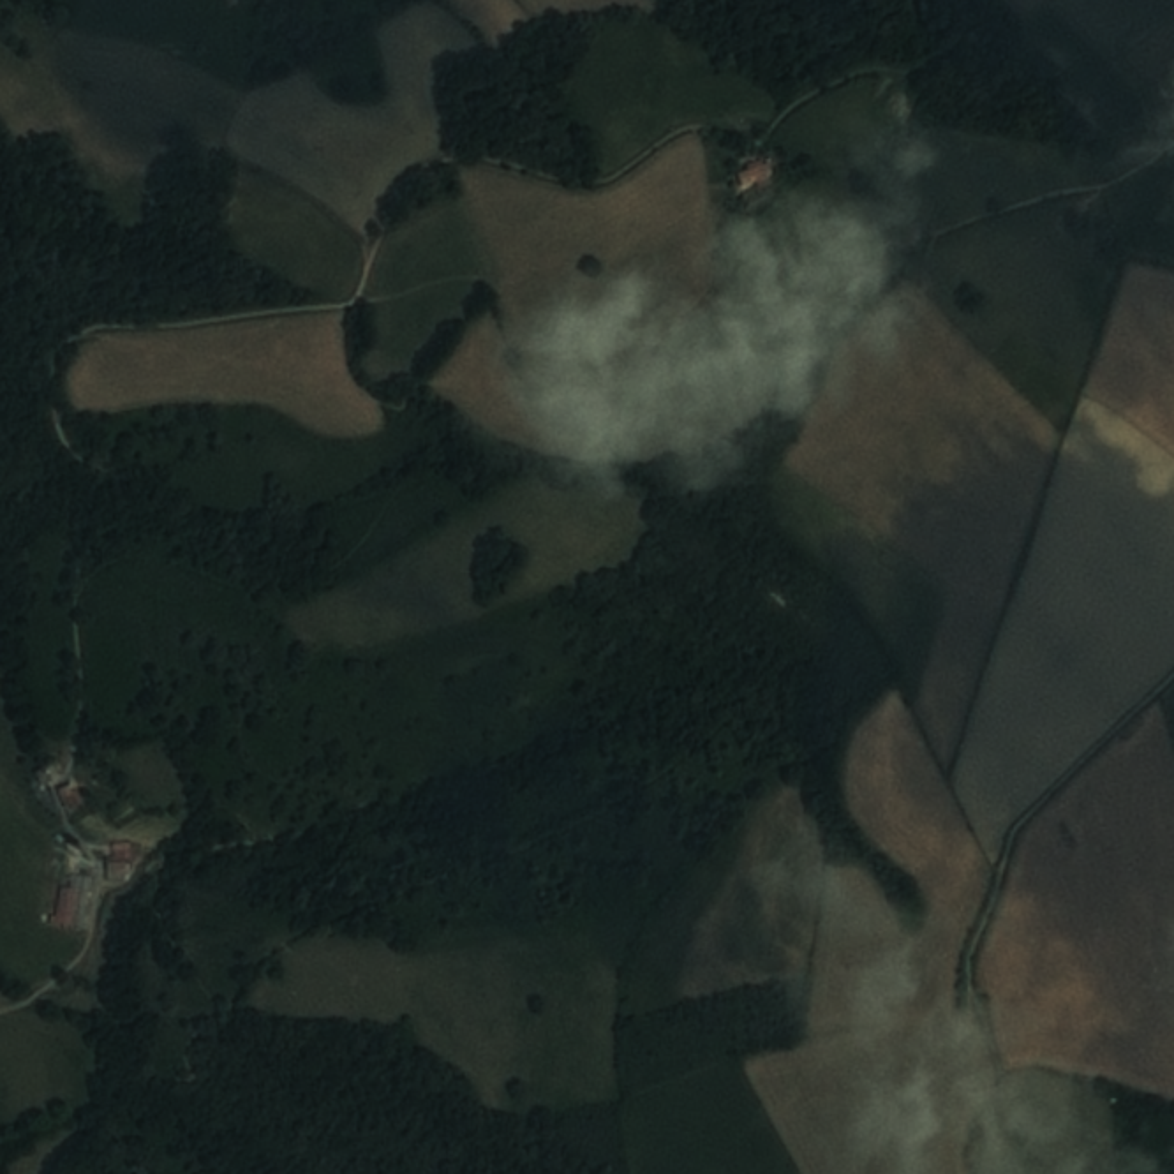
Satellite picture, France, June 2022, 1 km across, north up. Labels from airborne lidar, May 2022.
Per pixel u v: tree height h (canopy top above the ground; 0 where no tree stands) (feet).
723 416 0
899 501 0
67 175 49
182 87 0
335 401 0
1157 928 0
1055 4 0
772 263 0
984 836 0
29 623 53
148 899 40
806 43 65
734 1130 0
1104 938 0
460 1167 27
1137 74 0
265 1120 31
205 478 0
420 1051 50
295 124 0
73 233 91
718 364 0
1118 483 0
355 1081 46
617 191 0
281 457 0
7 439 30
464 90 53
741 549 30
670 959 0
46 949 0
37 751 24
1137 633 0
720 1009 29
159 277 76
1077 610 0
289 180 0
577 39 61
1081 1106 0
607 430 0
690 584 45
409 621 0
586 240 0
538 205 0
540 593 0
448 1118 45
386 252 0
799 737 34
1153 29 0
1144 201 0
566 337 0
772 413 48
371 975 0
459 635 0
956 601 0
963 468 0
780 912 0
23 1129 50
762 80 56
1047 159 0
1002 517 0
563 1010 0
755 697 55
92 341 0
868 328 0
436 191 58
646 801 42
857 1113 0
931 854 0
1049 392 0
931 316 0
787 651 33
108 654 0
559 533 0
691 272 0
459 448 60
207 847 58
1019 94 74
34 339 47
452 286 0
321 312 0
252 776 37
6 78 0
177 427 38
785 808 0
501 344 0
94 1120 60
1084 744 0
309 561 66
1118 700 0
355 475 0
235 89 0
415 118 0
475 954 0
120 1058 60
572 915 0
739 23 87
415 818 42
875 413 0
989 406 0
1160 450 0
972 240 0
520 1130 41
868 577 0
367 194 0
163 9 0
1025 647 0
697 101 0
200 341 0
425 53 0
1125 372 0
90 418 52
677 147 0
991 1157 0
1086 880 0
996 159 0
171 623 0
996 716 0
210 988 0
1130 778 0
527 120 72
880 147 0
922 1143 0
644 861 34
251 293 48
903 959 0
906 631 0
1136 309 0
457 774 27
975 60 55
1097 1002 0
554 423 0
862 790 0
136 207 0
